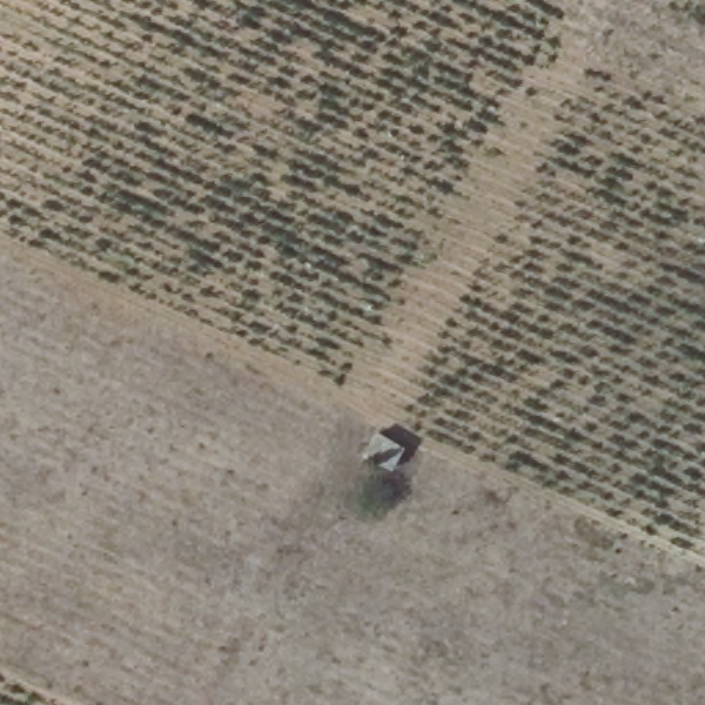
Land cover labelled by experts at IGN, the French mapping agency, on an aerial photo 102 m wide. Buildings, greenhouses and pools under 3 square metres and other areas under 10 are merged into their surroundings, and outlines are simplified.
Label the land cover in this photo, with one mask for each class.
<instances>
[{"label":"vineyard","instance_id":"1","mask_svg":"<svg viewBox=\"0 0 705 705\"><path fill-rule=\"evenodd\" d=\"M6 231L19 245L44 248L58 262H66L69 267L91 273L107 284H121L138 297L168 306L171 311H179L196 319L198 325L234 333L245 339L251 347H259L262 353H306L317 358L319 377L341 386L336 402L358 413L364 424L383 430L402 427L410 435H416L419 443L432 438L438 443H446L463 454H474L482 463H493L507 471L534 468L537 485L570 496L581 504H592L620 520L617 532L628 534L631 540L658 545L666 554V573L680 576L691 565L705 567V0H0V234ZM0 705H58L55 699H44L30 688L11 683L0 675Z\"/></svg>","mask_w":705,"mask_h":705},{"label":"agricultural land","instance_id":"2","mask_svg":"<svg viewBox=\"0 0 705 705\"><path fill-rule=\"evenodd\" d=\"M341 386L319 377L317 358L306 353H262L259 347H251L245 339L234 333L198 325L196 319L179 311H171L168 306L138 297L121 284H107L91 273L69 267L66 262H58L44 248L19 245L6 231L0 234V675L11 683L30 688L44 699H55L58 705H705V567L691 565L680 576L666 573V554L658 545L631 540L628 534L617 532L620 520L592 504H581L570 496L537 485L534 468L507 471L493 463H482L474 454H463L446 443H438L432 438L419 443L416 435H410L402 427L383 430L364 424L358 413L336 402ZM372 435H386L388 441L402 446V457L394 471H386L383 465L386 460H391L388 452H377L369 460L361 457ZM355 487L377 490L391 509L380 520H364L344 501L347 493Z\"/></svg>","mask_w":705,"mask_h":705},{"label":"deciduous trees","instance_id":"3","mask_svg":"<svg viewBox=\"0 0 705 705\"><path fill-rule=\"evenodd\" d=\"M344 501L364 520H380L391 509L377 490L355 487L347 493Z\"/></svg>","mask_w":705,"mask_h":705},{"label":"building","instance_id":"4","mask_svg":"<svg viewBox=\"0 0 705 705\"><path fill-rule=\"evenodd\" d=\"M377 452H388L391 460H386L383 465L386 471H394L402 457V446L388 441L386 435H372L361 457L369 460Z\"/></svg>","mask_w":705,"mask_h":705}]
</instances>
